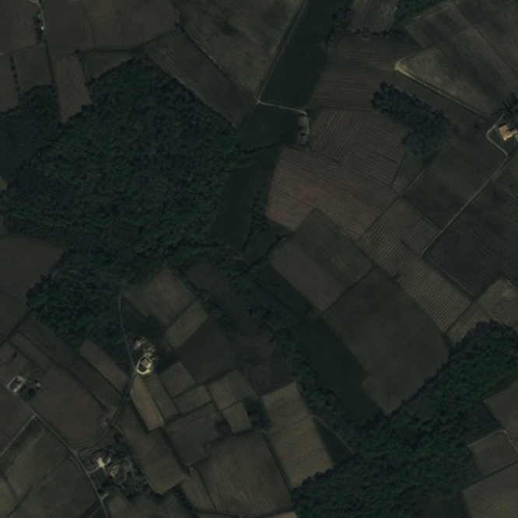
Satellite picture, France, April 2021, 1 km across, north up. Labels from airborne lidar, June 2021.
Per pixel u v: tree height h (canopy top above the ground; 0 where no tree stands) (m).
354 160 0
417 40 0
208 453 0
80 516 0
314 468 0
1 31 0
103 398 0
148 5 0
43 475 0
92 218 21
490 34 0
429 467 24
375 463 15
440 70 0
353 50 0
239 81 0
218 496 0
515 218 0
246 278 19
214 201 15
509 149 0
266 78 0
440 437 28
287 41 0
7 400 0
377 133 0
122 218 17
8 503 0
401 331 0
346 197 0
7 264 0
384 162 0
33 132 6
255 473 0
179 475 0
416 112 23
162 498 6
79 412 0
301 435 0
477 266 0
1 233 0
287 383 0
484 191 0
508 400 0
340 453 0
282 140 0
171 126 24
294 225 0
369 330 0
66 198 23
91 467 0
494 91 0
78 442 0
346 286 0
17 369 0
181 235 28
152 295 0
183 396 0
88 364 0
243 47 0
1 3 0
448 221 0
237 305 0
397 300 0
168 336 0
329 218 0
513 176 0
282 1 0
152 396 0
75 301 14
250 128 0
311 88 0
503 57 0
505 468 0
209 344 0
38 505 0
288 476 0
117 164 19
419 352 0
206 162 24
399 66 0
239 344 0
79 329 24
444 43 0
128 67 12
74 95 0
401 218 0
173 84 10
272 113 0
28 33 0
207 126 23
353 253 0
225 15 0
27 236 22
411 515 16
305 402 0
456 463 19
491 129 0
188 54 0
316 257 0
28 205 20
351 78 0
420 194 0
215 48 0
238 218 0
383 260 0
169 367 0
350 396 0
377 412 0
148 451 0
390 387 0
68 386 0
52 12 0
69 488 0
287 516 0
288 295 0
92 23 0
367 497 26
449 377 17
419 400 15
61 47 0
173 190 16
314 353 0
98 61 0
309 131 0
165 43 0
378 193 0
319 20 0
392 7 0
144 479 8
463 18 0
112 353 11
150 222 28
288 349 16
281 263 0
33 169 20
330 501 21
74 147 20
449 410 17
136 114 24
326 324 0
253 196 0
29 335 0
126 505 0
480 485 0
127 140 18
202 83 0
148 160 22
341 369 0
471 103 0
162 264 16
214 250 17
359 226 0
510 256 0
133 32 0
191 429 0
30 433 0
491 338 29
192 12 0
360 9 0
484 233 0
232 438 16
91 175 21
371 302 0
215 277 0
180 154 18
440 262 0
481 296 0
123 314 16
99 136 19
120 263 25
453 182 0
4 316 0
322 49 0
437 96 0
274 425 0
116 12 0
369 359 0
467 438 18
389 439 23
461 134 0
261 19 0
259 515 0
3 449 0
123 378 0
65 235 23
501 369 25
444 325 0
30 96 9
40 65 0
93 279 26
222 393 0
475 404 22
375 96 0
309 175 0
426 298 0
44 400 0
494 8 0
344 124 0
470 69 0
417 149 19
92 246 22
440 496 21
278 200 0
